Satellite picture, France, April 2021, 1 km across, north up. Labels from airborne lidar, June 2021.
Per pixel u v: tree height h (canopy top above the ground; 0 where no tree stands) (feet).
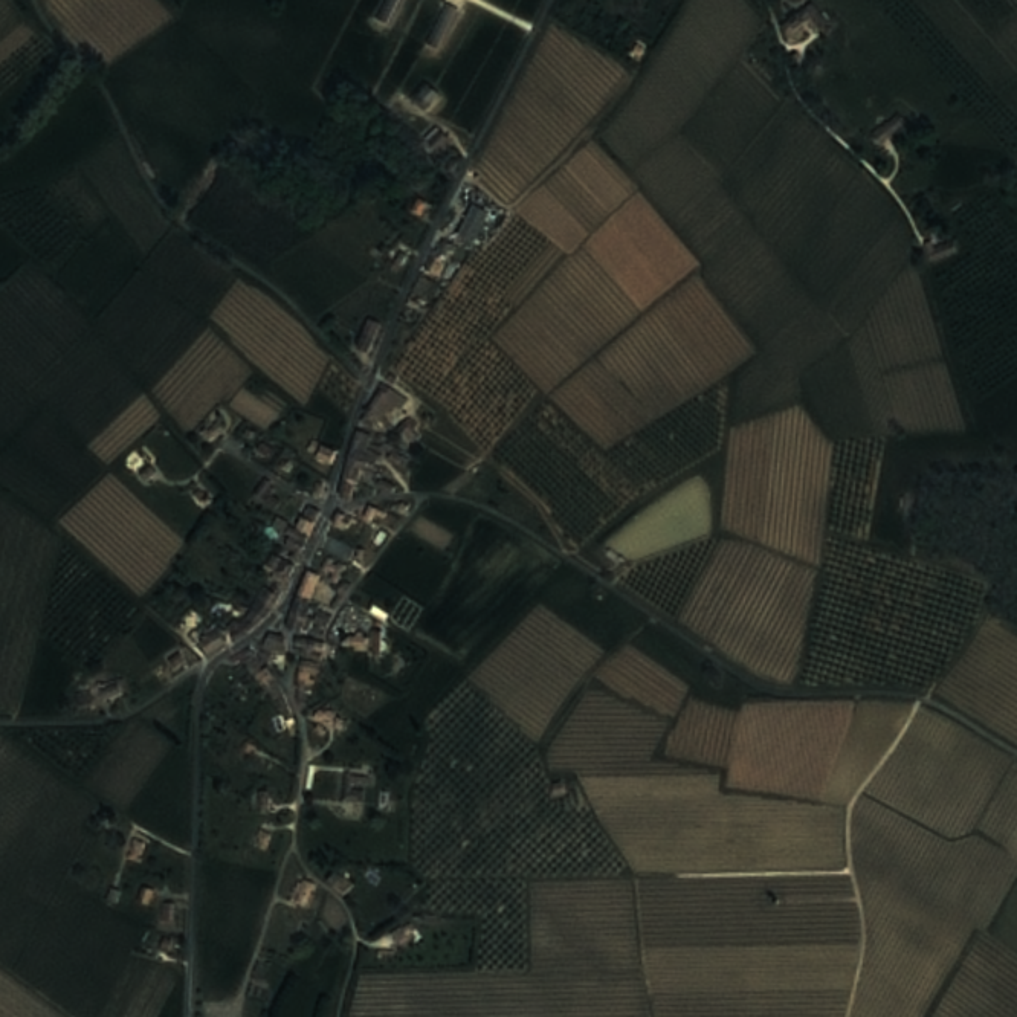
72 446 0
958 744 0
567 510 19
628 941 0
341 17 0
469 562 0
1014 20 0
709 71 0
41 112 94
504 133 0
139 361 0
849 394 0
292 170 102
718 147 0
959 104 35
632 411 0
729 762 0
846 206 0
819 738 0
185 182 0
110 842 45
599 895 0
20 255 0
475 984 0
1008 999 0
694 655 0
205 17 0
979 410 0
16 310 0
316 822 44
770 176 0
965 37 0
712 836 0
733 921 0
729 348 0
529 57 0
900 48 0
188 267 0
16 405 0
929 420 0
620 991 0
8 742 0
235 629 0
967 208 18
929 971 0
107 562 0
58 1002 0
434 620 0
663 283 0
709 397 20
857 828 0
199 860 31
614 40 17
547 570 0
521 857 19
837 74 0
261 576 35
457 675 0
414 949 21
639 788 0
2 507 0
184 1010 0
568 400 0
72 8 0
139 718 0
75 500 0
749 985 0
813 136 0
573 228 0
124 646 0
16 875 0
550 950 0
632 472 20
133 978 0
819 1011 0
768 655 0
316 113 0
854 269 0
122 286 0
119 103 0
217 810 0
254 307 0
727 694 0
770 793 0
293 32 0
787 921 0
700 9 0
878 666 20
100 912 0
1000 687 0
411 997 0
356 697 0
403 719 0
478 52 0
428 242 0
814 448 0
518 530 0
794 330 0
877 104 0
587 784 0
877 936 0
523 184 0
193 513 0
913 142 33
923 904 0
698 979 0
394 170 62
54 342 0
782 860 0
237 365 0
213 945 0
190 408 0
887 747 0
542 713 0
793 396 0
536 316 0
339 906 0
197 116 0
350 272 0
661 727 0
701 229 0
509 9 0
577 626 0
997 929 0
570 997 0
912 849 0
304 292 0
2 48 0
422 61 0
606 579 36
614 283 0
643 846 0
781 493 0
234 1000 0
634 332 0
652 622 0
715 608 0
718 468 0
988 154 0
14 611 0
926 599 19
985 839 0
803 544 0
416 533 0
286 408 0
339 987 0
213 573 0
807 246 0
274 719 0
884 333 0
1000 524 66
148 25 0
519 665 0
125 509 0
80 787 0
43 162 0
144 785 0
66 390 0
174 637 0
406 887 0
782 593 0
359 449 0
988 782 0
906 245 0
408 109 0
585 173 0
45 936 0
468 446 0
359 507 0
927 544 53
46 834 0
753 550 0
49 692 0
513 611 0
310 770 0
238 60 0
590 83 0
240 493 0
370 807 0
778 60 41
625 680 0
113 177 0
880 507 0
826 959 0
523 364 0
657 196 0
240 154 57
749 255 0
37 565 0
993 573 63
